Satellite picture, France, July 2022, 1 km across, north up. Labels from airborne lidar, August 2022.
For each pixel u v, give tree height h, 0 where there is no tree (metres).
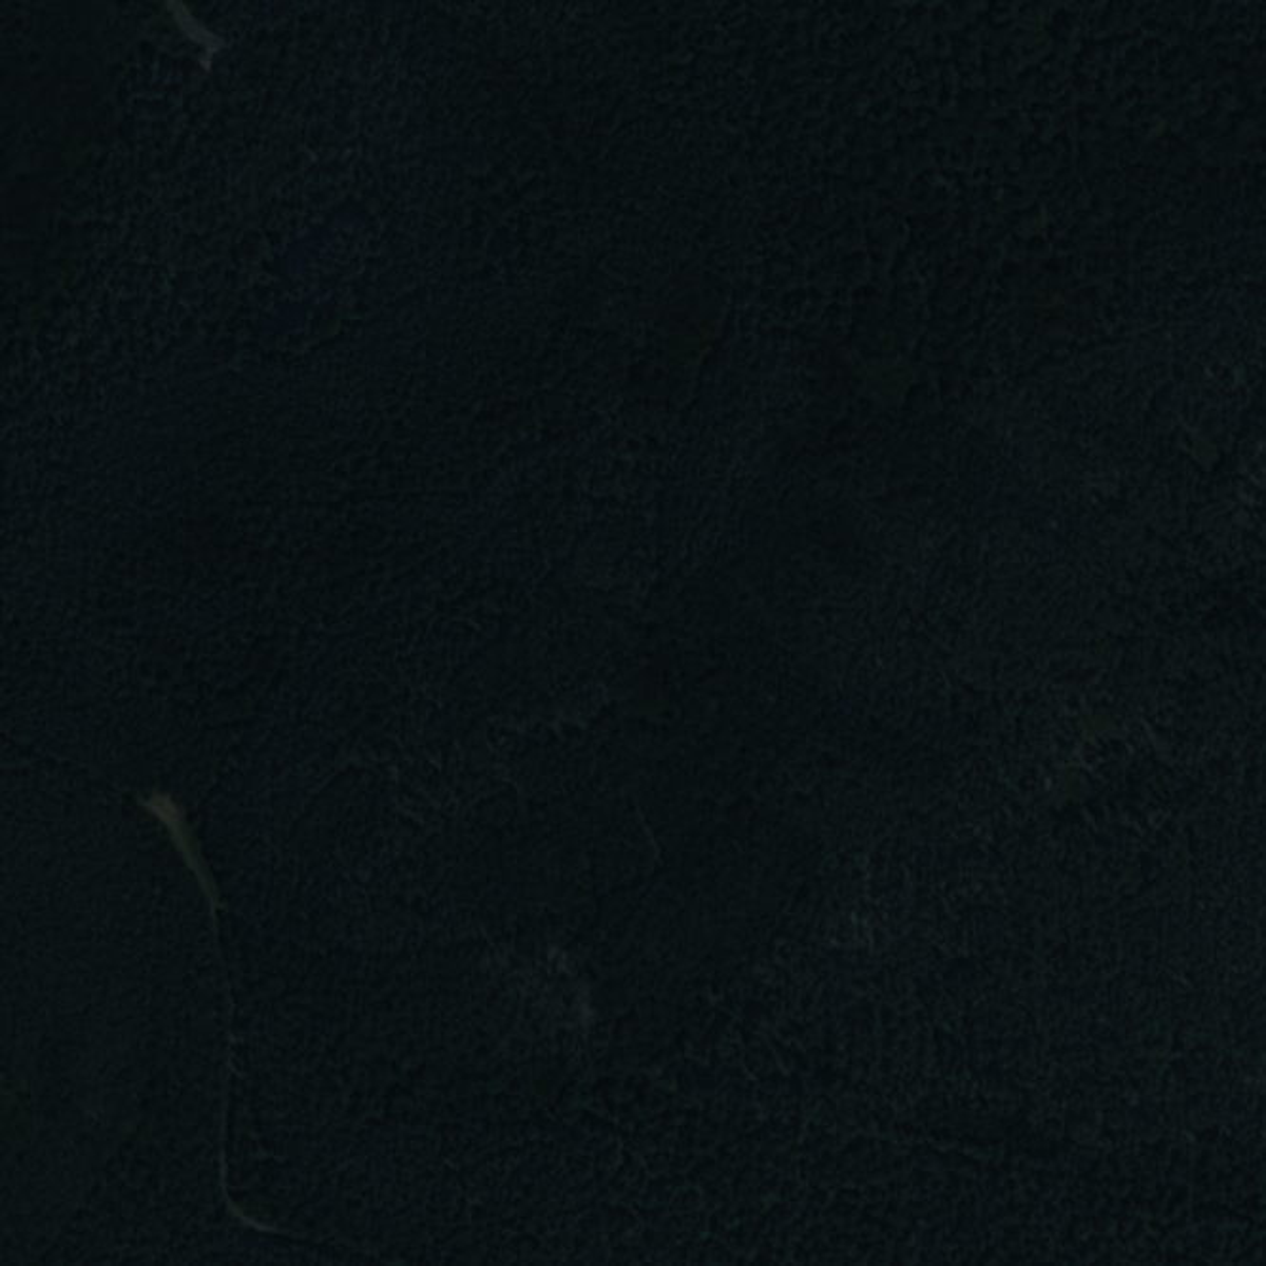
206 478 23
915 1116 8
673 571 25
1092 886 26
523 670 25
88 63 20
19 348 16
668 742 20
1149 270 25
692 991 21
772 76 21
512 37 21
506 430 13
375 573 19
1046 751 22
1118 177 22
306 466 24
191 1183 24
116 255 25
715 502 29
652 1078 17
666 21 19
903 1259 32
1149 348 23
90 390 29
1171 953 25
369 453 23
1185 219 23
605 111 13
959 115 31
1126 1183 18
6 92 18
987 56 30
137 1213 21
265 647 23
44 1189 17
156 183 24
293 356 24
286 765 23
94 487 25
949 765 24
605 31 15
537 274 21
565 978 23
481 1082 20
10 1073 14
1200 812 26
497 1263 17
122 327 21
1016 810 27
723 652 28
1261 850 31
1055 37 29
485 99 20
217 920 9
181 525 18
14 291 20
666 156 17
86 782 22
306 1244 24
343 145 27
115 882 19
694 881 21
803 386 25
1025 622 29
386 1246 25
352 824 23
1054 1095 27
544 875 23
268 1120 29
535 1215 24
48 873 19
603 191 17
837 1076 24
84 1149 18
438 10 23
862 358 11
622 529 26
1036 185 24
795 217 21
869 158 14
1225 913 26
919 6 25
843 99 20
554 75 16
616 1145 18
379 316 26
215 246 25
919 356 24
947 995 26
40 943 18
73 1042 17
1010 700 24
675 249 16
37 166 20
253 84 18
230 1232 25
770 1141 26
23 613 25
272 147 27
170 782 21
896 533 23
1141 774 11
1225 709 27
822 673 27
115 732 22
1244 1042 27
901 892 23
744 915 20
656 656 21
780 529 25
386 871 18
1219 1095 23
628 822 21
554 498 26
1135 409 25
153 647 22
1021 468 26
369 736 17
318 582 19
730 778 22
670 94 13
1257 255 28
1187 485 27
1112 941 27
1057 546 28
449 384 20
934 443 24
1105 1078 30
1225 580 11
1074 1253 14
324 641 25
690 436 27
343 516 22
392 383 20
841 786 32
